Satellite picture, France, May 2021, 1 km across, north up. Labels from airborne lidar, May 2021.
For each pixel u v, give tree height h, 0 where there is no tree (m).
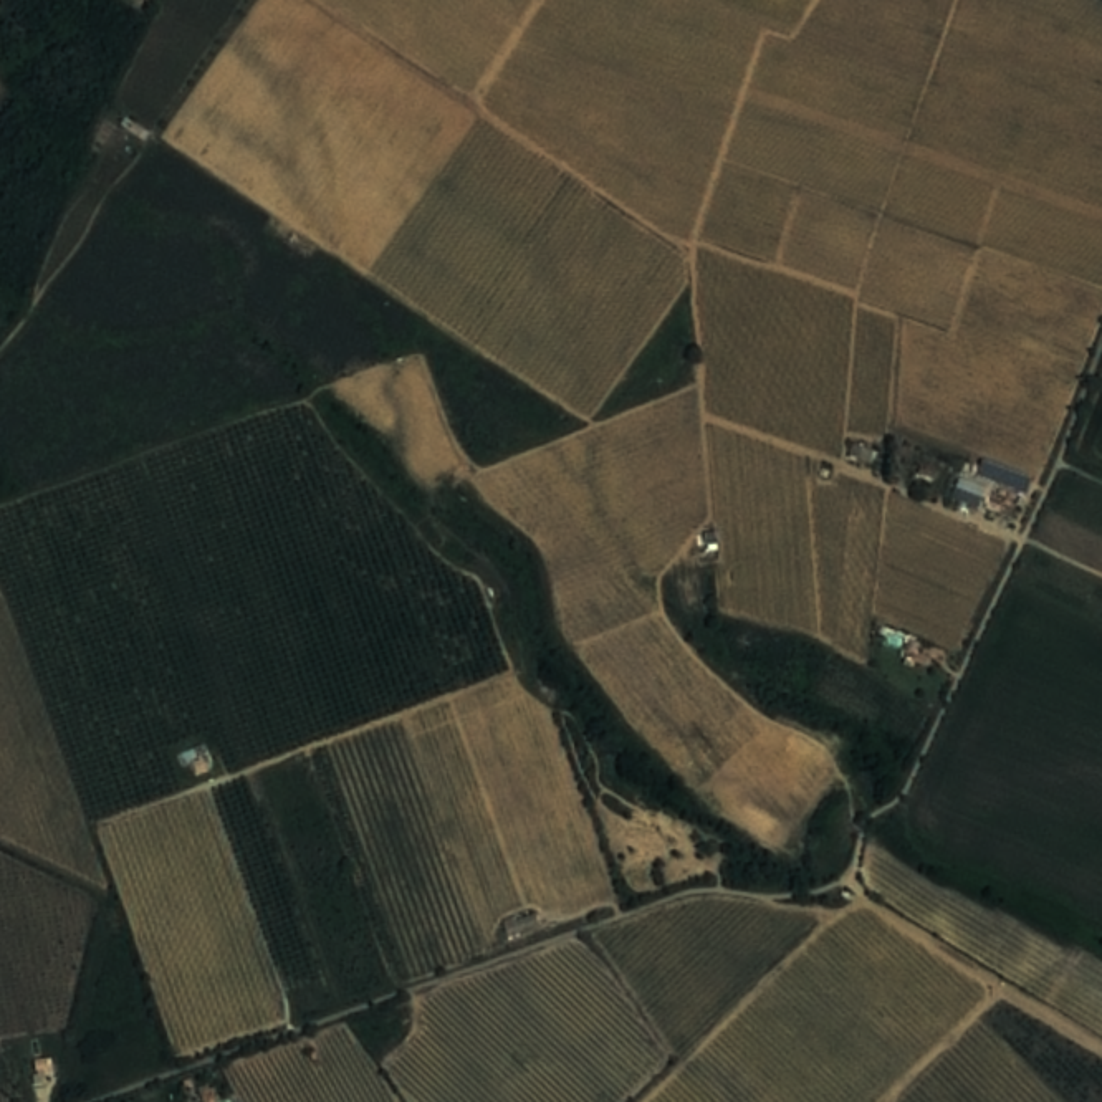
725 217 0
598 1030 0
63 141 6
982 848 0
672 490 0
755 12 0
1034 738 0
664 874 10
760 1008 0
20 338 0
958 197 0
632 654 0
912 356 0
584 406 0
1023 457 0
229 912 0
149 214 0
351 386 0
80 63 6
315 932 0
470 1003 0
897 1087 0
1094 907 0
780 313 0
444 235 0
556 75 0
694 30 0
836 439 0
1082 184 0
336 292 0
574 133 0
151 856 0
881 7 0
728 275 0
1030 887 0
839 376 0
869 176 0
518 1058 0
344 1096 0
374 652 6
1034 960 0
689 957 0
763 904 0
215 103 0
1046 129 0
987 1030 0
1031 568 0
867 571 0
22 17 9
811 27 0
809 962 0
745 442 0
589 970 0
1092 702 0
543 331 0
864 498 0
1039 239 0
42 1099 0
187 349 0
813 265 0
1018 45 0
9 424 0
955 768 0
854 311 0
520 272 0
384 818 0
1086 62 0
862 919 0
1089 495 0
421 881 0
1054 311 0
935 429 0
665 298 0
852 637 0
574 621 0
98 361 0
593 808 8
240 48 0
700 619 0
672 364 0
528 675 0
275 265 0
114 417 0
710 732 0
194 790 0
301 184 0
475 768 0
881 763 15
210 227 0
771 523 0
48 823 0
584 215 0
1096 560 0
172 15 0
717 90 0
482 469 0
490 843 0
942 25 0
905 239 0
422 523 0
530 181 0
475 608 6
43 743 0
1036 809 0
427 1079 0
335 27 0
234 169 0
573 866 0
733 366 0
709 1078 0
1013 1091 0
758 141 0
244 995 0
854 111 0
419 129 0
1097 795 0
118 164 0
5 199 11
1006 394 0
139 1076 0
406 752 0
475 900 0
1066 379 0
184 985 0
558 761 0
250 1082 0
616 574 0
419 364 0
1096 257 0
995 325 0
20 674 0
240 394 0
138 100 0
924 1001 0
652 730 0
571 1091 0
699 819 7
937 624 0
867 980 0
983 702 0
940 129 0
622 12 0
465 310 0
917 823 0
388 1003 7
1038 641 0
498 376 0
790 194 0
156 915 0
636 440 0
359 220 0
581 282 0
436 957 0
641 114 0
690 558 0
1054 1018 0
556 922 0
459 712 0
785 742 0
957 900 0
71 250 0
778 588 0
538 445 0
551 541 0
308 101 0
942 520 0
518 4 0
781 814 0
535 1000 0
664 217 0
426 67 0
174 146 0
